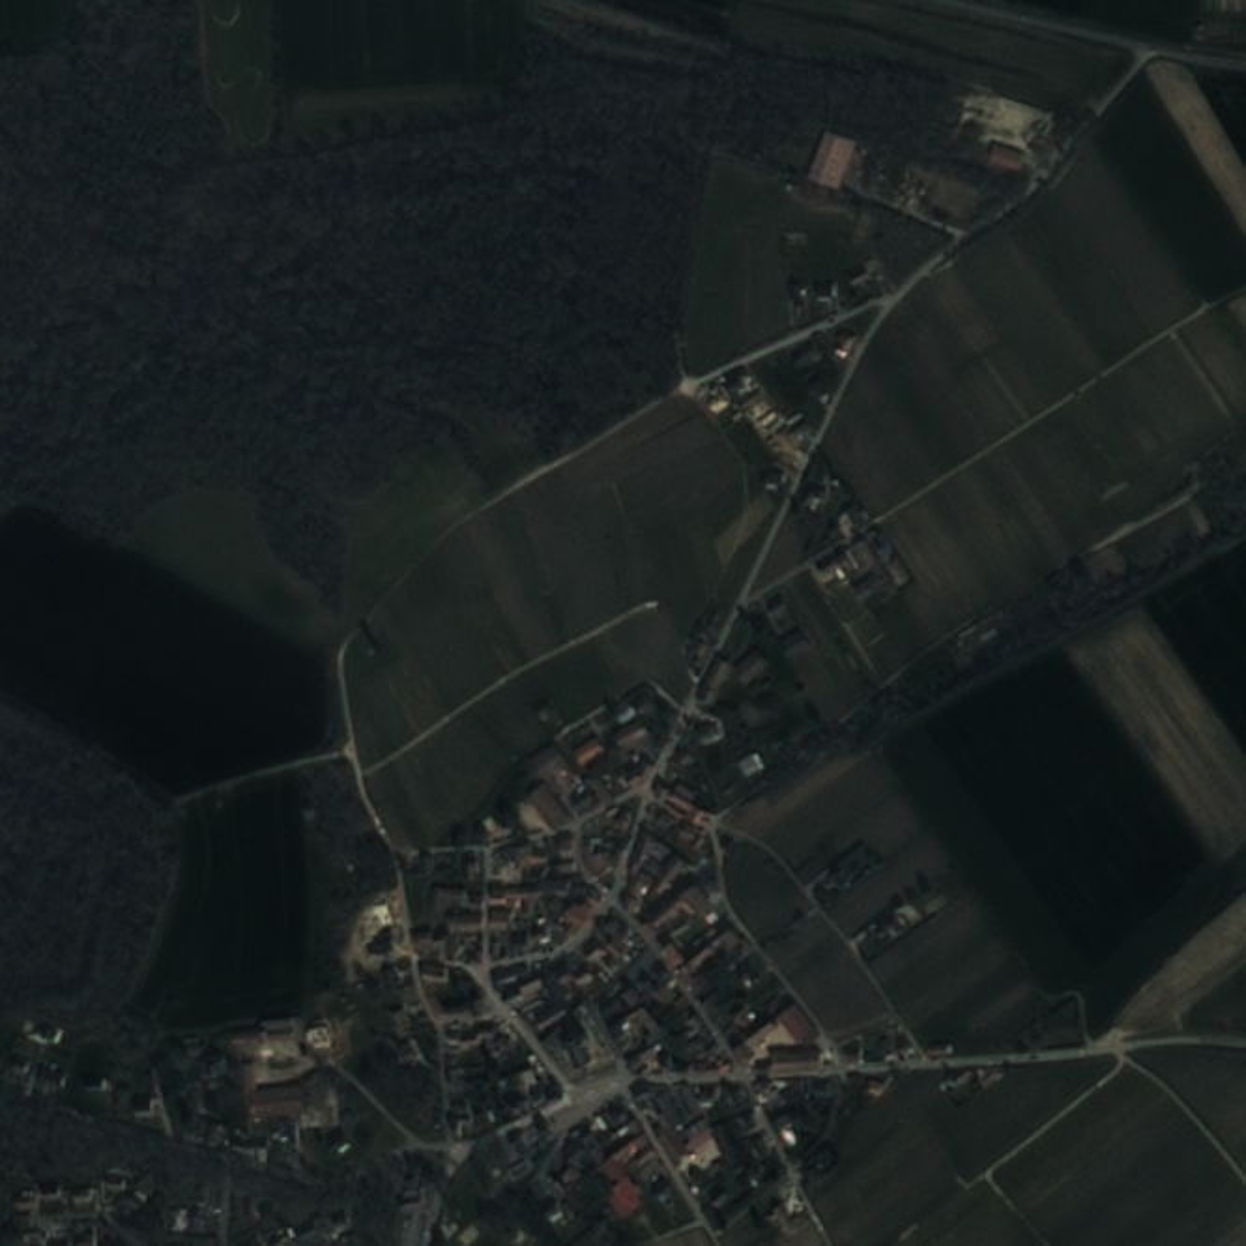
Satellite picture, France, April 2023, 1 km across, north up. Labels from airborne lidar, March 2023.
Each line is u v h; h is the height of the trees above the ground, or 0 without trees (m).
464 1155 0
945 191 0
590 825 0
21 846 16
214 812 0
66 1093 0
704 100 16
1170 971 0
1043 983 0
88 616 0
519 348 16
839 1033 0
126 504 21
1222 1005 0
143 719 0
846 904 0
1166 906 0
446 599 0
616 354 19
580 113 18
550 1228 6
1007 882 0
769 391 0
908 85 15
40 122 17
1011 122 0
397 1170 15
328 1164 0
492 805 0
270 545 10
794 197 0
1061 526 0
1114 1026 0
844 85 19
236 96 0
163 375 18
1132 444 0
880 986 0
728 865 0
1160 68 0
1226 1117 0
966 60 0
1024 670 0
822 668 0
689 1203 0
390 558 0
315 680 0
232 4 0
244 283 10
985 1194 0
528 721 0
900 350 0
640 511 0
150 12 9
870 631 0
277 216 22
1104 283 0
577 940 0
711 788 0
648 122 16
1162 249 0
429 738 0
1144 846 0
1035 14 0
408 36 0
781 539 0
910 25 0
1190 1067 0
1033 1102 0
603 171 7
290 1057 0
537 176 20
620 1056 0
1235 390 0
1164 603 0
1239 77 0
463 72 0
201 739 0
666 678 0
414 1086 19
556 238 16
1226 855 0
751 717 0
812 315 0
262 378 20
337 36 0
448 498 0
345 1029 0
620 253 19
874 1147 0
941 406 0
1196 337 0
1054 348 0
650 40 10
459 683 0
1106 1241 0
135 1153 19
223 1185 15
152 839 19
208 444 19
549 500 0
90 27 14
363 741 0
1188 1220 0
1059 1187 0
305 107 0
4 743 9
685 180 20
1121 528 0
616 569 0
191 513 0
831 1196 0
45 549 0
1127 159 0
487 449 0
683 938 0
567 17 0
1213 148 0
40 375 18
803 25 0
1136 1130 0
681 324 14
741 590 0
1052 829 0
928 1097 0
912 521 0
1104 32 0
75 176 22
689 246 19
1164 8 0
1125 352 0
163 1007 0
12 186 24
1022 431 0
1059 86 0
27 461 18
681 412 0
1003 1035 0
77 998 15
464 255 22
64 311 18
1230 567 0
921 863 0
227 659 0
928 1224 0
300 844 0
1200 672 0
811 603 0
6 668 0
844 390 0
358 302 18
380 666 0
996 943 0
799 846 0
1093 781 0
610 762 7
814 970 0
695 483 0
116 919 14
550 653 0
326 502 11
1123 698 0
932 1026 0
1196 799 0
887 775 0
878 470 0
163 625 0
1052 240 0
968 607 0
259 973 0
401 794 0
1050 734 0
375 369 20
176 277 20
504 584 0
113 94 18
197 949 0
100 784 14
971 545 0
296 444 22
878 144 13
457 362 18
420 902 0
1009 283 0
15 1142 22
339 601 16
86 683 0
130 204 13
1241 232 0
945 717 0
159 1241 20
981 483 0
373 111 0
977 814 0
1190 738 0
